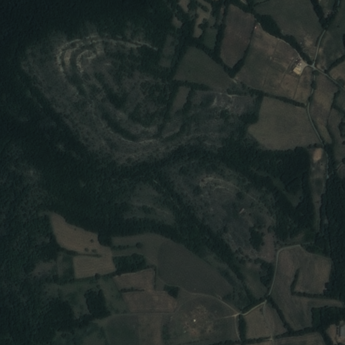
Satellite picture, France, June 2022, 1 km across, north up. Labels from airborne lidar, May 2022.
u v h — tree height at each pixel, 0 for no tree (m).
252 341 11
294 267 0
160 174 8
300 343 0
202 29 13
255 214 0
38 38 12
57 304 6
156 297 0
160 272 0
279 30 10
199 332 0
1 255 8
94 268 0
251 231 7
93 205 10
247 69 0
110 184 6
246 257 6
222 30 12
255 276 0
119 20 8
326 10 0
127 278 0
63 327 11
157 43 7
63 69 0
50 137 7
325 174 8
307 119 0
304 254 0
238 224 0
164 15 12
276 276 0
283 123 0
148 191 0
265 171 12
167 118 11
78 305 0
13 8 21
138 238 0
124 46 5
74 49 0
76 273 0
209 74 0
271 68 0
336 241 12
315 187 0
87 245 0
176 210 6
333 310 15
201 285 0
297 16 0
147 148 0
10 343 12
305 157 22
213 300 0
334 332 0
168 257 0
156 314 0
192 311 0
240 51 0
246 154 13
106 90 6
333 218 14
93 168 11
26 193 9
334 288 19
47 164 15
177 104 0
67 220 12
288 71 0
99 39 0
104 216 9
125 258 9
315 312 13
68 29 11
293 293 10
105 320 0
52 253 14
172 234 12
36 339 15
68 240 0
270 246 0
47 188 10
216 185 6
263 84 0
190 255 0
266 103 0
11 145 9
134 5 18
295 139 0
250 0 17
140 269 11
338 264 14
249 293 11
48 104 7
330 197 12
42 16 19
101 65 0
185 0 0
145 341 0
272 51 0
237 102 0
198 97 0
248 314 0
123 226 14
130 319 0
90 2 20
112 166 11
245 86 9
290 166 17
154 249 0
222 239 7
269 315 0
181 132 7
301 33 0
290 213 18
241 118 11
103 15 9
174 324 0
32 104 8
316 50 0
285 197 17
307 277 0
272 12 0
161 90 7
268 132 0
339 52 0
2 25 19
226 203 0
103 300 15
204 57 0
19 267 5
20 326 11
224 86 0
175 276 0
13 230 9
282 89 0
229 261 11
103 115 7
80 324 10
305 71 0
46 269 0
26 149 11
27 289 6
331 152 10
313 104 0
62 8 19
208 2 8
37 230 8
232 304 0
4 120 13
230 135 7
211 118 7
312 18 0
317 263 0
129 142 0
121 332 0
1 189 10
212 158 9
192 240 7
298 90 0
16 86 14
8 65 9
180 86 9
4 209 9
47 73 0
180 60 9
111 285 0
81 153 13
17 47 9
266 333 0
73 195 10
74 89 0
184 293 0
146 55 6
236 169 10
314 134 0
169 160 10
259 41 0
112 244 11
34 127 11
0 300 10
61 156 12
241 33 0
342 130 9
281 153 11
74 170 13
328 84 0
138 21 10
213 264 0
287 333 10
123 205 11
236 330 0
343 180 9
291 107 0
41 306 11
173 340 0
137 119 7
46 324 7
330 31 0
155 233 9
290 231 8
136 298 0
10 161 11
